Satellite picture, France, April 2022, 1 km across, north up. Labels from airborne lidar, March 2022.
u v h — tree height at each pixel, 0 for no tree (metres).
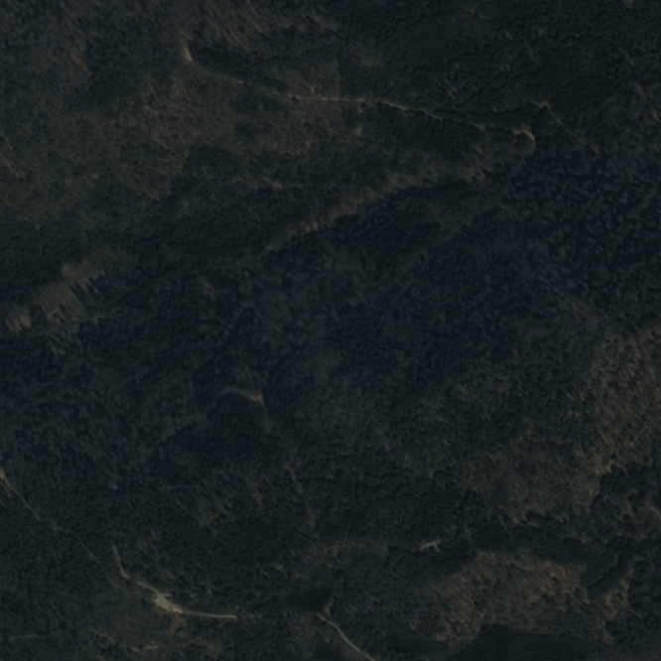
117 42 20
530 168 7
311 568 23
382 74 15
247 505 28
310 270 11
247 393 24
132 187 21
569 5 14
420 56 15
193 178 13
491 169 34
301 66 10
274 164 18
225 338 18
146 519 30
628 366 29
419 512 18
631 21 28
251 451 12
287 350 21
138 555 20
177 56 22
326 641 13
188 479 11
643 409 30
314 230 34
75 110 18
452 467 17
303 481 19
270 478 15
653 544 19
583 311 29
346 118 18
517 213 20
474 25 6
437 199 19
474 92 27
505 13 15
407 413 17
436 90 24
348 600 21
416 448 22
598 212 31
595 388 13
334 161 15
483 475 12
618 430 30
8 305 28
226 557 26
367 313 17
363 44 14
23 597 32
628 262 13
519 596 24
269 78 13
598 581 24
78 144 22
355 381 14
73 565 28
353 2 15
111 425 31
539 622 19
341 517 20
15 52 19
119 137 17
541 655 13
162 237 27
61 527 21
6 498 25
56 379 25
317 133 11
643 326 19
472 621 25
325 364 25
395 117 21
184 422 13
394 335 21
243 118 18
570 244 11
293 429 14
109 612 11
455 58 15
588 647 14
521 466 11
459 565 29
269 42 14
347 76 13
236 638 20
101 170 22
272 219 19
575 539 20
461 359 14
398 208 16
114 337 21
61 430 12
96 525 25
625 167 16
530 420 21
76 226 20
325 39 11
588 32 12
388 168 19
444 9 20
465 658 17
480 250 17
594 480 23
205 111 18
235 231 24
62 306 0
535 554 27
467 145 21
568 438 14
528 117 21
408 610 23
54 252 22
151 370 19
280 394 13
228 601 29
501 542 30
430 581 23
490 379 17
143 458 26
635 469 29
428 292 11
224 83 18
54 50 18
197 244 19
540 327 13
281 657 18
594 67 16
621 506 27
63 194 20
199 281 22
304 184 13
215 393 21
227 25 10
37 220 22
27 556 31
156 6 30
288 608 20
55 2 17
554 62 17
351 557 29
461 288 19
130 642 0
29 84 12
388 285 10
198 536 28
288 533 29
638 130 16
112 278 25
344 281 15
